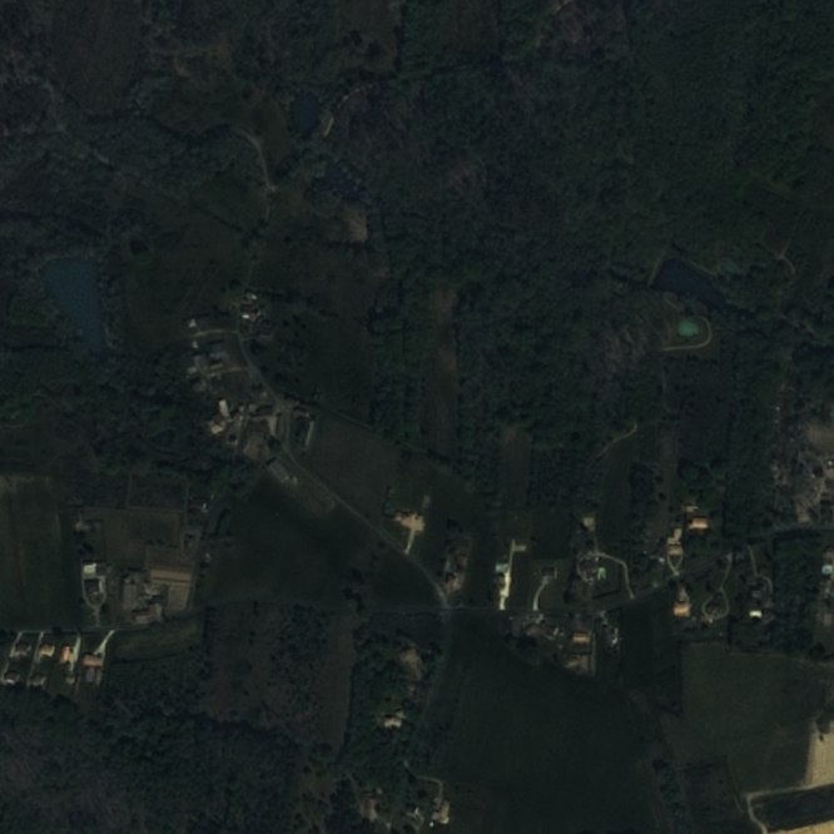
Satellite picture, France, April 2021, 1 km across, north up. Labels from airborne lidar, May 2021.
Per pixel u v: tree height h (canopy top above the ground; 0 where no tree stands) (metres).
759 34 12
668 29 15
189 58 0
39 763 16
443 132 19
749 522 17
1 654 12
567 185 15
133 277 0
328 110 14
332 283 0
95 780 14
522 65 16
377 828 11
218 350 0
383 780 19
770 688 0
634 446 0
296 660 8
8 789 13
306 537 0
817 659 18
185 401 7
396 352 17
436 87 19
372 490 0
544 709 0
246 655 0
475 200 15
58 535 0
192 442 9
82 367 16
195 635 0
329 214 14
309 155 13
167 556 0
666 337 13
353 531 0
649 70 17
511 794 0
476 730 0
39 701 19
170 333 0
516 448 0
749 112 14
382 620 6
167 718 18
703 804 6
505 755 0
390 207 19
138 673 6
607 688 0
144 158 17
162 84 15
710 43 16
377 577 0
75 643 0
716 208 14
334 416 0
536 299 21
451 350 6
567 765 0
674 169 16
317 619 6
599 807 0
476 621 0
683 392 7
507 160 15
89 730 16
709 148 16
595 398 9
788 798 0
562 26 12
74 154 18
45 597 0
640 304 20
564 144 15
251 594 0
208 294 0
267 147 0
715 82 17
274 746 21
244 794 10
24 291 15
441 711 8
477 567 0
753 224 15
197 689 7
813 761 0
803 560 16
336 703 0
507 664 0
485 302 23
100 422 12
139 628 0
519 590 0
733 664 0
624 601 0
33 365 16
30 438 0
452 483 0
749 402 16
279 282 0
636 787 0
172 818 16
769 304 15
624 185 21
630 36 9
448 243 21
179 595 0
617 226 21
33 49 13
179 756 10
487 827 0
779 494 12
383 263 17
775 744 0
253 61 12
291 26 7
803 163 15
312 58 16
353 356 0
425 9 22
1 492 0
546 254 28
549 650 0
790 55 17
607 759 0
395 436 18
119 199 0
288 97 19
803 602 15
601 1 18
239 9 18
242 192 0
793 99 21
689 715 0
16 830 20
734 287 17
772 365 24
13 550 0
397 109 24
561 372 13
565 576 0
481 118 23
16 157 19
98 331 0
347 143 8
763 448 17
